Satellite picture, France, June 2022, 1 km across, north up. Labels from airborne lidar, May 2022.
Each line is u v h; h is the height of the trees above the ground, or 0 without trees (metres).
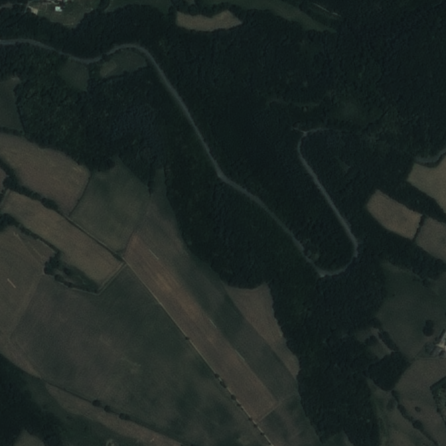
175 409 0
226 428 0
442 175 0
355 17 12
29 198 14
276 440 0
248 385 0
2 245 0
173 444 0
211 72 19
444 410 0
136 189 0
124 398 0
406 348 0
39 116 19
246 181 25
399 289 0
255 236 19
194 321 0
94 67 10
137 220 0
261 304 0
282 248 22
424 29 28
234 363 0
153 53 9
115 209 0
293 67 24
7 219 21
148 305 0
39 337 0
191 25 0
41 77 22
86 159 19
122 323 0
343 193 16
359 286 15
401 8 21
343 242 10
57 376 0
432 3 22
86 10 0
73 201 0
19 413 16
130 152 14
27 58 21
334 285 18
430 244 0
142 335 0
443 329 0
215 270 8
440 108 18
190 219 17
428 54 19
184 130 6
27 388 0
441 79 20
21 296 0
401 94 29
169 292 0
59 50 13
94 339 0
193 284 0
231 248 20
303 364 15
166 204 0
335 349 20
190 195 7
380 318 0
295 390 0
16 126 0
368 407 17
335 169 10
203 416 0
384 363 17
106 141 20
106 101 27
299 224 14
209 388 0
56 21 0
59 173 0
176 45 29
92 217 0
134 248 0
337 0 14
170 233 0
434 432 0
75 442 0
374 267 24
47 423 12
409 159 20
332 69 20
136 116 32
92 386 0
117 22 24
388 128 20
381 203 0
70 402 0
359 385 25
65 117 16
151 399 0
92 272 0
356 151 24
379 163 20
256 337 0
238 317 0
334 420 20
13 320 0
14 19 16
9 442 13
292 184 19
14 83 0
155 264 0
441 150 15
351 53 24
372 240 8
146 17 15
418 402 0
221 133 20
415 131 31
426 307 0
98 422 0
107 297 0
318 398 24
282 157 21
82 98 20
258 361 0
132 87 30
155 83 25
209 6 7
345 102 0
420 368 0
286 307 18
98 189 0
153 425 0
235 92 13
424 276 19
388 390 18
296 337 20
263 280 12
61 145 18
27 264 0
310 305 23
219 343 0
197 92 23
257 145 12
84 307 0
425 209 13
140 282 0
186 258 0
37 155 0
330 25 12
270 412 0
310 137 13
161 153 27
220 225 24
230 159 23
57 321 0
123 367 0
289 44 22
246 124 13
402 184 17
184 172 12
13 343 0
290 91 22
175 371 0
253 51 30
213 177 21
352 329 18
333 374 24
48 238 0
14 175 10
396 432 0
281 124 17
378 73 11
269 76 21
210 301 0
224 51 23
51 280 0
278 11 0
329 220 14
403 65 27
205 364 0
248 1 0
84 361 0
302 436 0
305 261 11
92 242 0
